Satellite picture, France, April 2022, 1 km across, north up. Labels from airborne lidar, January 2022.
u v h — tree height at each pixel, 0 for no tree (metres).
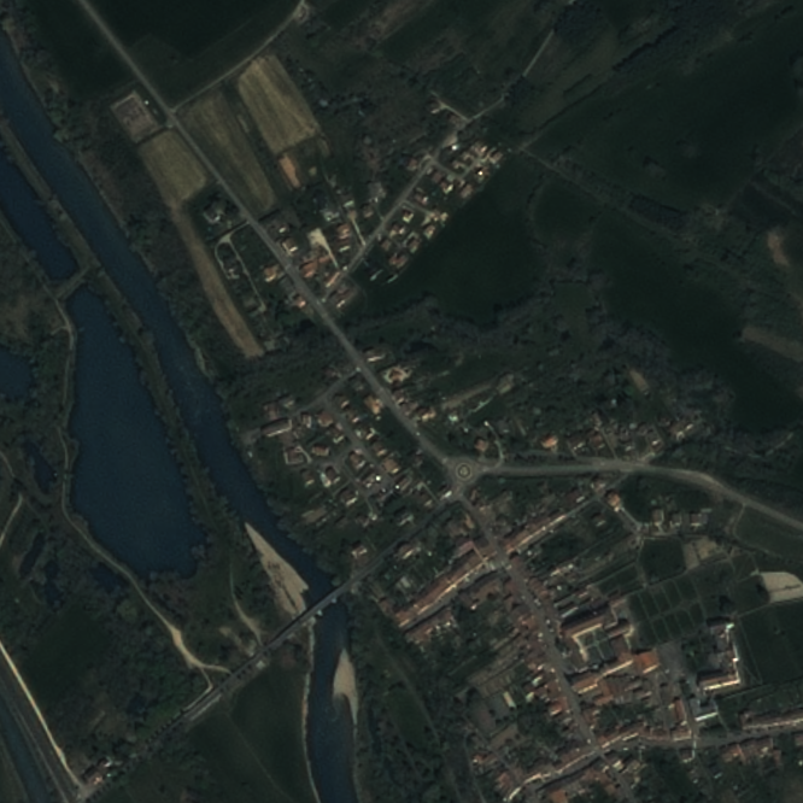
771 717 0
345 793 0
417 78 8
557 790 0
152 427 0
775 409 0
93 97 0
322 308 0
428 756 15
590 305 0
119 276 0
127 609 24
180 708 17
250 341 0
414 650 9
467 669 0
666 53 16
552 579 0
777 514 0
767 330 7
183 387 0
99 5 0
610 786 0
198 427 0
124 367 0
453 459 0
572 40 15
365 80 0
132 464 0
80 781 0
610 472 0
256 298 5
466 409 0
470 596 0
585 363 8
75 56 0
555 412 12
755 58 0
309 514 0
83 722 14
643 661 0
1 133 0
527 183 0
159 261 0
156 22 0
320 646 0
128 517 0
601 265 0
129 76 0
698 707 0
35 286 14
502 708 0
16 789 0
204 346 0
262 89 0
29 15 17
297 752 0
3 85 0
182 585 19
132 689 12
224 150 0
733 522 0
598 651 0
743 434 14
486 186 0
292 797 0
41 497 0
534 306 22
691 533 0
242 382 16
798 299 0
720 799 0
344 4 0
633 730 0
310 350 10
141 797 0
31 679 0
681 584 0
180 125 0
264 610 20
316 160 0
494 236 0
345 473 0
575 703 0
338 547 0
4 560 0
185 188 0
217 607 0
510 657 0
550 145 0
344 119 12
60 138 12
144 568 0
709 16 16
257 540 0
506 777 0
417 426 0
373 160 6
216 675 0
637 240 0
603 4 0
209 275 0
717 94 0
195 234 0
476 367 0
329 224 0
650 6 0
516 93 12
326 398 0
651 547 0
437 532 6
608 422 20
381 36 0
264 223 7
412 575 0
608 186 5
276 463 0
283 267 0
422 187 0
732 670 0
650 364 20
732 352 0
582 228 0
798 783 0
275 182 0
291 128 0
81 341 0
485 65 0
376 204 0
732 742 0
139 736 10
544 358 0
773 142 0
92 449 0
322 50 0
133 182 0
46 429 19
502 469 0
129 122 0
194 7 0
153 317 0
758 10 14
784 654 0
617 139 0
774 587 0
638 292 0
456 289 0
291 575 0
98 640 0
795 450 13
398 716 0
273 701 0
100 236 0
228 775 0
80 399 0
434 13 0
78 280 0
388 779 8
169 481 0
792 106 0
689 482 0
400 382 9
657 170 17
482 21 0
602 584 0
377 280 0
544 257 14
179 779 0
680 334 0
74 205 0
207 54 0
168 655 12
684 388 21
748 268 21
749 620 0
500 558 0
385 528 0
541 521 0
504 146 0
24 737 0
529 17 0
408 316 20
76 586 20
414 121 0
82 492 0
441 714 20
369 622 13
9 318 0
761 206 0
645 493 8
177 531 0
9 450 14
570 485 0
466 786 15
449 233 0
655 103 0
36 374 11
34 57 11
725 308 0
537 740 0
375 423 0
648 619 0
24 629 13
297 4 0
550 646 0
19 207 0
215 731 0
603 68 0
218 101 0
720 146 0
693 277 19
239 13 0
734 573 0
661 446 0
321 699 0
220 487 0
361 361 0
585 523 0
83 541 0
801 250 0
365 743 7
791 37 0
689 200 0
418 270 0
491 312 0
